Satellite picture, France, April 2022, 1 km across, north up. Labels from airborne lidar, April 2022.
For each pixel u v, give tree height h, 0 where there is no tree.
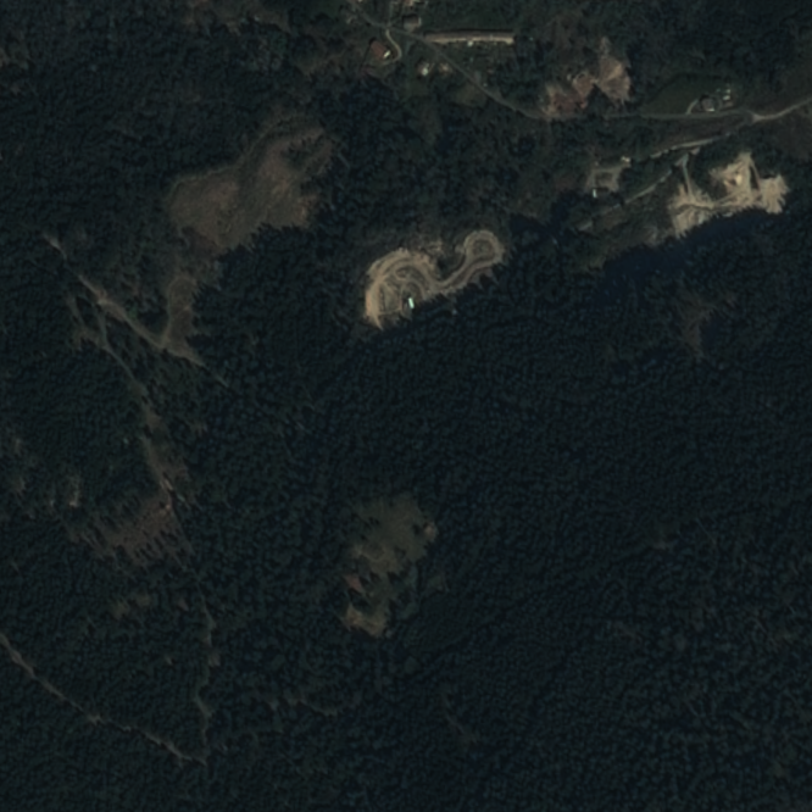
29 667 14
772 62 18
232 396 22
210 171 24
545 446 35
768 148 6
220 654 11
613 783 28
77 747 20
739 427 28
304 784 10
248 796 12
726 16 14
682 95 0
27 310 23
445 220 14
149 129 15
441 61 0
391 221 19
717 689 6
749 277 24
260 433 35
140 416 27
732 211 0
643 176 15
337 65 11
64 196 33
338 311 6
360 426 32
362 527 23
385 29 0
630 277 19
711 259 9
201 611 16
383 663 13
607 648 27
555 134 7
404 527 0
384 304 0
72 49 21
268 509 26
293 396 34
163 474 0
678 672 28
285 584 22
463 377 23
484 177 13
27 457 15
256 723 14
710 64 11
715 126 0
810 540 22
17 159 18
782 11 11
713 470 28
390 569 0
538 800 25
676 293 15
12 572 21
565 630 29
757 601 20
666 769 30
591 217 6
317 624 21
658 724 11
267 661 11
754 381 28
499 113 8
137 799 19
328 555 16
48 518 11
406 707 28
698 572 25
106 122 17
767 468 30
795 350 20
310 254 33
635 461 26
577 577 29
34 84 21
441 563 20
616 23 16
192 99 25
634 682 27
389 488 20
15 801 27
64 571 21
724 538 26
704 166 9
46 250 24
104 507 24
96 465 28
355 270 12
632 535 29
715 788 27
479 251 0
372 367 21
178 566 8
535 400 30
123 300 26
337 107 32
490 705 24
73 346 14
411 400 23
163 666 23
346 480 27
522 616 28
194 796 23
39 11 22
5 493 12
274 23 0
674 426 30
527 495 32
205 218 0
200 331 17
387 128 34
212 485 24
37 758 27
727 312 26
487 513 35
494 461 30
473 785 22
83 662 26
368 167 33
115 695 26
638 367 7
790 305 17
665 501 28
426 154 9
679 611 27
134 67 23
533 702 27
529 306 27
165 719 25
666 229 0
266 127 16
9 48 9
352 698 18
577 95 0
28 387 26
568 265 27
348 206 22
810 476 25
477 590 23
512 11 20
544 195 9
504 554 21
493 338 31
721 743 32
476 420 34
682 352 24
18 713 28
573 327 34
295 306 20
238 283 31
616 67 0
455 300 7
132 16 22
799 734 32
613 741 25
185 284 0
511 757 27
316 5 22
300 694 29
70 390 28
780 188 0
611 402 33
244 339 20
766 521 30
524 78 10
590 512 36
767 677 25
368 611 23
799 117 0
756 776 31
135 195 34
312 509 40
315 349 19
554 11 20
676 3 14
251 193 0
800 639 10
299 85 30
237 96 18
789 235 18
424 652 15
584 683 27
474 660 28
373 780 28
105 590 30
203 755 20
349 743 9
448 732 26
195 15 6
